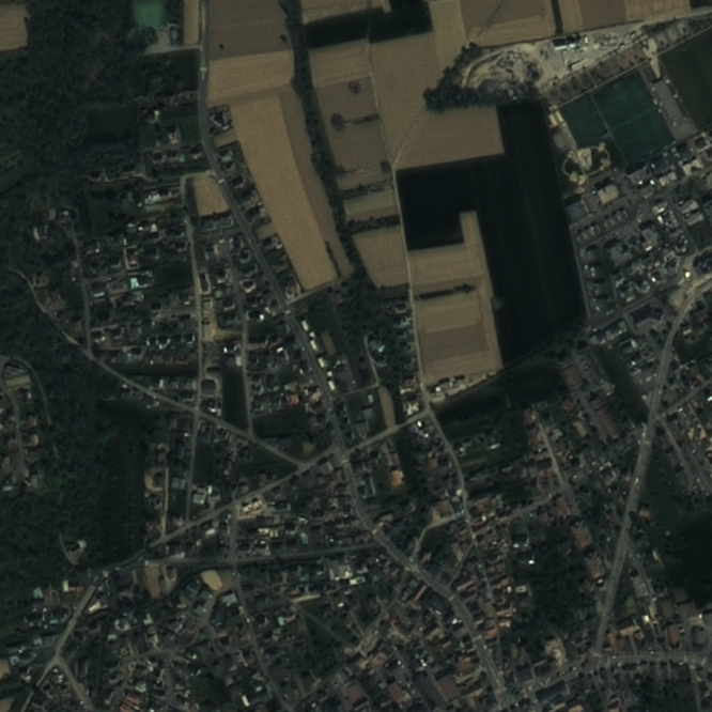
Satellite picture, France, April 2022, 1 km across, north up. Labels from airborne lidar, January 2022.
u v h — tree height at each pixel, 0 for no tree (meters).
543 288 0
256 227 0
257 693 0
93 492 15
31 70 21
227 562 0
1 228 13
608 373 0
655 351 0
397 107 0
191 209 11
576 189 0
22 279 11
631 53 0
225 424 0
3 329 0
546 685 0
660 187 0
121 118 0
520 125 0
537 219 0
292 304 0
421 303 0
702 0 0
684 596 0
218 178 0
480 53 6
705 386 0
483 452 0
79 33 29
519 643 7
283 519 0
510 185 0
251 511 0
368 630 0
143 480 0
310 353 0
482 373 0
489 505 6
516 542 0
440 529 0
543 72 0
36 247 22
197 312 0
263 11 0
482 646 0
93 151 23
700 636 0
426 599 11
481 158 0
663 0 0
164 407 0
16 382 0
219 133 0
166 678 0
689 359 0
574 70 0
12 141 11
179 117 0
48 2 17
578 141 0
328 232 0
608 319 0
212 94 0
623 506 0
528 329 0
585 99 0
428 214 0
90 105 20
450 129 0
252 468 0
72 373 20
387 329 6
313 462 0
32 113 21
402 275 0
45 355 6
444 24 0
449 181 0
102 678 6
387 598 0
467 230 0
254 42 0
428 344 0
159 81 18
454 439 0
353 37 0
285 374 0
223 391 0
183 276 0
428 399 0
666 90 0
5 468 0
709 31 0
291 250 0
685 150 0
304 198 0
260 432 0
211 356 0
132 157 19
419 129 0
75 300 0
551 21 0
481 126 0
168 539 0
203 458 0
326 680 0
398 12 0
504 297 0
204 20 0
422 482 7
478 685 0
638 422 0
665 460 0
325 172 14
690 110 0
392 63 0
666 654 0
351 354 0
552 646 0
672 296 0
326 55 0
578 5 0
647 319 0
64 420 22
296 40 17
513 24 0
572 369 0
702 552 0
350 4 11
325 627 0
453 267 0
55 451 18
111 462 0
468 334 0
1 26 0
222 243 0
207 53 0
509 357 0
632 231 0
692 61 0
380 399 0
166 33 0
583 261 0
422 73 0
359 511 0
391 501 8
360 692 0
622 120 0
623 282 0
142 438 0
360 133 0
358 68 0
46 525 15
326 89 0
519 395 0
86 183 8
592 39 0
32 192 14
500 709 0
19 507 13
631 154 0
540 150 0
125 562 0
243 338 0
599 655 0
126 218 9
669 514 0
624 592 0
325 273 0
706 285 0
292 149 0
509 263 0
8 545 18
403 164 0
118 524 0
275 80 0
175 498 0
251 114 0
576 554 11
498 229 0
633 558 0
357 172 0
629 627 0
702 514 0
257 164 0
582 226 0
